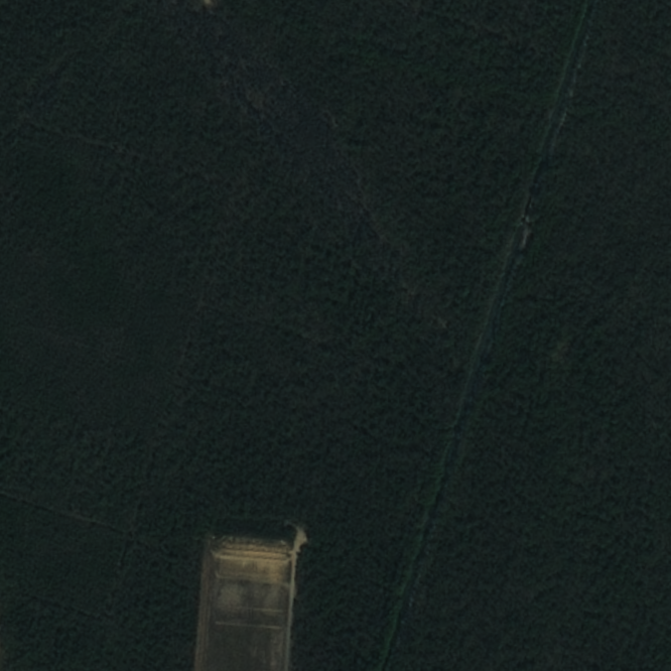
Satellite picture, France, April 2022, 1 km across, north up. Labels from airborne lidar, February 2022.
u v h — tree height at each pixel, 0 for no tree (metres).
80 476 12
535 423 14
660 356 15
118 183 17
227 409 13
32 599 11
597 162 13
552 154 11
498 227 10
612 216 10
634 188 13
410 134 17
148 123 12
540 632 15
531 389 16
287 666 0
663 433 15
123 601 10
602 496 11
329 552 14
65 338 7
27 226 10
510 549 13
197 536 13
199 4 0
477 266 16
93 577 9
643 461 16
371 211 12
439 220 15
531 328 14
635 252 7
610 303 15
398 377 16
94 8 11
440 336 15
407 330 15
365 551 15
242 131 14
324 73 13
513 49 15
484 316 8
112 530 10
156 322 8
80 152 9
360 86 9
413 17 16
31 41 12
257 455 16
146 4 10
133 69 11
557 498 16
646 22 13
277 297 17
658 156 15
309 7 15
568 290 13
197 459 16
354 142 11
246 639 0
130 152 15
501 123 18
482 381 19
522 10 16
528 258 14
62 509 7
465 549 15
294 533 11
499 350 19
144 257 10
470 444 15
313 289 15
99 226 11
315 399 14
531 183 12
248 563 0
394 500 15
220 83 15
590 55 13
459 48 17
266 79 15
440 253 13
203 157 15
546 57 11
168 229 10
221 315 9
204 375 14
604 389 18
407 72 13
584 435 16
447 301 14
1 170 9
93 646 12
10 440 12
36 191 9
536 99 13
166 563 13
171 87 13
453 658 14
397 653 14
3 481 13
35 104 10
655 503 18
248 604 0
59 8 9
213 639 0
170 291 11
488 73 17
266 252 14
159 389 9
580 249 9
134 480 7
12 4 11
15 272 8
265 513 12
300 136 16
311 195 9
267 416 11
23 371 10
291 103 16
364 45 15
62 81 13
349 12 15
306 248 14
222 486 13
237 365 12
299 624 14
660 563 18
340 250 14
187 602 11
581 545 17
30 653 12
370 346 12
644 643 16
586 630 13
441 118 17
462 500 14
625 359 15
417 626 18
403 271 10
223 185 13
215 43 15
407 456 15
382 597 10
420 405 6
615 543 17
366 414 16
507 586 13
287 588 0
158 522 11
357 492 12
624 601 18
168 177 16
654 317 11
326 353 18
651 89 16
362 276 16
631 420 13
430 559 18
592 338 18
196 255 12
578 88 11
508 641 14
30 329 6
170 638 14
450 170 14
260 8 11
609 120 17
